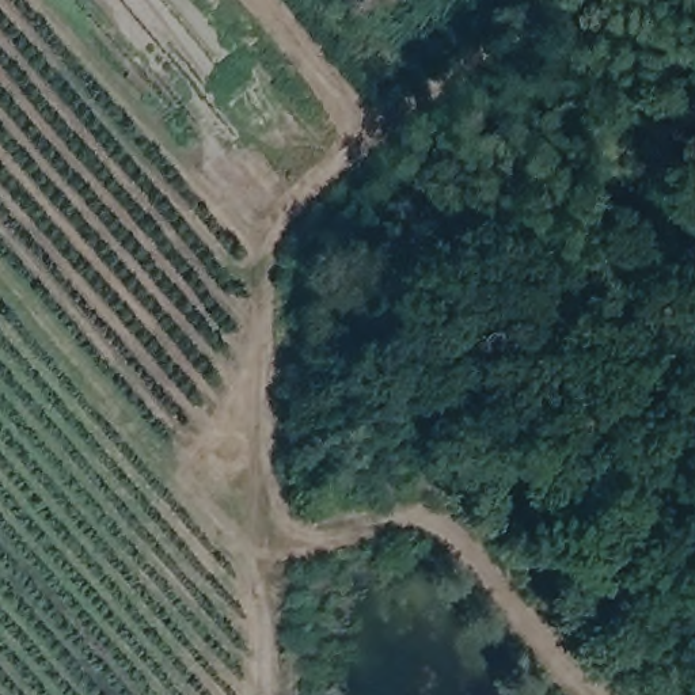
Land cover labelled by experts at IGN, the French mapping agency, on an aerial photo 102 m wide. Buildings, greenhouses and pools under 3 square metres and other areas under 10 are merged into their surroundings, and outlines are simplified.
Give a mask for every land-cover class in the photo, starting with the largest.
<instances>
[{"label":"deciduous trees","instance_id":"1","mask_svg":"<svg viewBox=\"0 0 695 695\"><path fill-rule=\"evenodd\" d=\"M14 8L62 60V65L87 87V92L103 106V111L122 128V133L179 193V198L225 244V250L236 258H242L244 252L236 233H231L214 220L209 206L160 155L157 144L138 133L125 109H119L111 100V95L95 81V76L84 71L73 52L54 35L46 19L27 0H11ZM296 16V22L307 30V35L320 46L326 62L334 65L358 95L369 84L364 62L375 54L386 57L388 62H399L402 49L413 38L402 30L399 22H394V5L372 8L356 16L353 0H282ZM584 0H516L510 8H500L494 14L497 22L508 24V33L489 43V60L483 62L486 73L481 76L478 87L470 79H462L448 98L434 103L432 111L413 119L405 130H394L391 149L380 152L375 160L372 182L356 187L339 182L337 176L328 179L318 195H309L304 204H293L288 225L280 233L274 250V266L269 280L274 285L277 299L282 301L271 323V339L277 348L274 377L266 388L274 421H288L290 456H280L271 464L280 483V494L288 502L290 516L299 521L312 524L339 510L391 513L396 508L424 505L432 513L451 516L453 521L467 527L472 540L483 543L494 540L500 532L508 529L513 508L510 489L516 483H529V505L535 510H551L565 508L570 502H581L586 494V483L603 481L605 472L630 475V489L614 502L611 510L600 513V519L589 524L584 538L576 535L578 521L567 524V538L562 535L565 521H557L554 527H538L540 543L519 538L510 548L500 546L489 554V559L502 570V576L510 578L513 570H554L570 578L559 600H551V627L559 643L567 635H573L589 616L597 614L600 600L616 597L619 592H630L635 600V611L627 614V624H622L614 635L592 638L589 643H584L578 649V660L584 676L589 681L605 684L611 695H695V529H679L673 524V516H662L660 497L662 489H671L679 494V502L684 505L695 500V261L676 255L673 247L660 252L652 223L627 206L611 204L608 182L643 174V157L633 152V133L638 130V125L649 119L684 117L695 109V0H603V8H592V14L581 16L584 30L600 27L603 19L608 22L611 33L635 35L641 43L665 52L662 57H652L622 49L616 57L608 52V43L603 41H597L595 46H581L573 30L548 33V27L557 22L562 11H576ZM402 185L426 193L440 212H481L483 223L467 231L464 236L437 242L434 255H421L415 269L405 277L407 293L396 304L383 299V252L358 244V250L342 252L337 258L326 252L318 255L312 252V228L334 204L345 209V217L361 214L364 223L375 225L377 212ZM589 271L603 274L608 293L589 299L592 309L578 318L576 328L565 339L562 356L543 361L538 350L551 337V326L559 318L562 293H578L586 285ZM348 312H358L364 318L399 315L402 331L391 342L367 345L364 361L356 367L353 361L339 356V337L348 331L342 326ZM505 320H510L513 326L516 348L527 350L524 358L497 364L475 361L470 350L475 348L481 331ZM478 388L491 391L486 399V410L481 418H462L459 432L451 443H432L418 434L413 424L415 418L459 407L470 399V391ZM0 30L30 60V65L43 76V81L62 98V103L87 125V130L103 144V149L122 166V171L163 212L171 228L206 266L212 280L223 290L239 296L244 299L247 293L242 280L231 277L228 269L217 263L212 250L168 204V198L147 179V174H141L130 155H125L114 136L68 87V81L0 11ZM0 68L19 84L24 98L41 111V117L73 149V155L147 231L157 250L174 263V269L204 301L209 315H214L217 326H223L228 334L236 331V326L228 309H223L212 299L206 285L190 269V263L166 239L160 225L130 198V193L111 176V171L92 155V149L43 100V95L27 79V73L0 49ZM0 106L22 128V133L41 149V155L60 171V176L84 198V204L100 217V223L119 239V244L144 266L155 285L201 331V337L214 350H225L228 345L220 331L206 326L201 312L193 309L185 293L155 266L149 252L136 242V236L62 160V155L38 133L30 117L0 87ZM0 144L49 195V201L71 220L79 236L98 252V258L144 304V309L166 328L176 348L187 356V361L206 377V383L220 386L223 380L212 361L187 339V334L171 320V315L147 293L136 274L109 250V244L79 214V209L54 187V182L27 155V149L16 144V138H11V133L0 122ZM652 201L665 212L671 223L681 225L687 233L695 231V141L681 152V166L671 168L665 182L657 185L652 195ZM0 185L54 242V247L90 282V288L114 309V315L130 328V334L149 350L157 367L179 386V391L193 405H201L204 396L195 388V383L171 361L163 345L133 315V309L109 288V282L90 266V261L68 242V236L46 217V212L33 201V195L0 163ZM0 220L43 263L52 280L71 296L81 315L90 318V323L106 337L117 356L141 377L152 396L179 424H187V413L163 391V386L122 342V337L87 304V299L49 258V252L0 201ZM0 261L38 296L43 309L57 320L60 328H65L73 345L90 358L95 372L117 388V394L130 407L138 410V418L152 429L157 440H171V432L163 421L152 415L144 399L130 388V383L98 353V348L79 328V323L52 299L46 285L0 239ZM8 320L16 328L27 348L52 369V375L90 413V418L106 432V437L128 456V462L144 475V481L168 502V508L185 521V527L214 557V562L225 567V573L236 578L231 557L198 527L193 513L176 500L168 483L157 478L152 467L122 440L111 421L87 399L84 388L76 386L71 375H65L57 356L41 342V328H30L0 299V323ZM152 519L168 535V540L185 554V562L214 586V592L223 600H228L231 608L242 605L217 576H212L201 565L190 546L176 535V529L160 516V510L152 508L147 494L125 475V470L92 437V432L52 391L41 372L27 364V358L0 331V695H239L225 681V673L233 671L236 676H244L242 662L250 657V646L239 630L231 624L228 616H223L214 608V603L195 586L193 578H187V573H182L174 557L157 543V538L144 524ZM152 554H157L174 570V576L198 600L195 605L187 608L185 600L171 589L166 576H160L147 562ZM182 649H187L193 660L209 673V679L214 681L212 690H206L198 681V676L190 673L187 665L179 660ZM413 567L424 573V581L437 584L440 600H462L467 605V614L475 619L467 627V635L483 646L486 660V671H478V681L489 690H497L500 695H567L546 673L535 649L527 646L510 630L508 616L494 605L481 578L459 562L448 543H443L437 535L421 527L383 524L375 529L372 538H364L358 543L337 546L328 551L318 548L307 557H288L285 562V589L280 595L277 608V652L296 654L299 695H342L350 671L361 662L358 643L364 641V627L372 619H377L380 586L391 578L410 573Z\"/></svg>","mask_w":695,"mask_h":695},{"label":"herbaceous vegetation","instance_id":"2","mask_svg":"<svg viewBox=\"0 0 695 695\"><path fill-rule=\"evenodd\" d=\"M0 11L68 81V87L114 136L125 155H130L141 174H147V179L168 198V204L212 250L217 263L228 269L231 277L242 280L247 293L269 280L274 266V250L261 261L252 252H244L242 258H236L225 250V244L179 198V193L122 133V128L103 111V106L87 92V87L62 65V60L14 8L11 0H0ZM592 8H603V0H584L576 11H562L557 22L548 27V33L573 30L581 46H595L597 41H603L608 43V52L616 57L622 49L652 57H662L665 52L641 43L635 35L611 33L608 22L603 19L600 27L584 30L581 16L592 14ZM0 49L27 73V79L43 95V100L92 149V155L111 171V176L130 193V198L160 225L166 239L190 263V269L206 285L212 299L223 309H228L239 296L223 290L212 280L206 266L171 228L163 212L122 171V166L103 149V144L87 130V125L62 103V98L43 81V76L30 65V60L0 30ZM486 73L483 62H453L445 84L440 87V81H429V95L421 100L410 95L407 100H396L386 109H380L375 100L361 103V125L369 133L380 130L383 138L369 149V155L361 163L345 166L337 176L339 182L356 187L372 182L375 160L380 152L391 149L394 130H405L413 119L432 111L434 103L448 98L462 79H470L478 87L481 76ZM0 87L30 117L38 133L62 155V160L136 236V242L149 252L155 266L185 293L193 309L201 312L206 326L220 331L228 345L225 350H214L201 337V331L155 285L144 266L119 244V239L100 223V217L84 204V198L60 176V171L41 155V149L22 133V128L0 106V122L11 133V138H16V144L27 149V155L54 182V187L79 209V214L109 244V250L136 274L147 293L171 315V320L187 334V339L212 361L223 380L220 386L206 383V377L187 361V356L176 348L166 328L144 309V304L98 258V252L79 236L71 220L49 201V195L0 144V163L33 195V201L46 212V217L68 236V242L90 261V266L109 282V288L133 309V315L163 345L171 361L195 383V388L204 396L201 405L209 415H214L217 405H223L225 386L239 375V356L250 342V331L236 326V331L228 334L223 326H217L214 315H209L204 301L174 269V263L157 250L147 231L73 155V149L41 117V111L24 98L19 84L0 68ZM695 141V109L684 117L649 119L638 125V130L633 133V152L643 157V174L608 182L611 204L627 206L652 223L660 252L673 247L676 255L695 261V231L687 233L681 225L671 223L665 212L652 201V195L657 185L665 182L671 168L681 166V152ZM0 201L49 252V258L87 299V304L122 337V342L163 386V391L187 413L193 405L179 391V386L157 367L149 350L130 334V328L114 315V309L90 288V282L54 247V242L0 185ZM483 223L481 212H440L426 193L402 185L377 212L375 225L364 223L361 214L345 217V209L334 204L312 228V252L318 255L326 252L337 258L342 252L358 250V244L383 252V299L396 304L407 293L405 277L415 269L421 255H434L437 242L464 236L467 231ZM0 239L46 285L52 299L79 323V328L98 348V353L130 383V388L144 399L152 415L163 421L171 432V440H157L152 429L138 418V410L130 407L117 394V388L95 372L90 358L73 345L65 328H60L57 320L43 309L38 296L0 261V299L30 328H41V342L57 356L65 375H71L76 386L84 388L87 399L111 421L122 440L152 467L157 478L168 483L176 472V451L187 448L198 434L195 424L187 418V424H179L152 396L141 377L117 356L106 337L90 323V318L81 315L71 296L52 280L43 263L0 220ZM608 293L603 274L589 271L586 285L578 293H562L559 318L551 326V337L538 350L543 361L562 356L565 339L576 328L578 318L592 309L589 299ZM342 326L348 331L339 337V356L353 361L356 367L364 361L367 345L391 342L402 331L399 315L364 318L358 312H348ZM0 331L27 358V364L41 372L52 391L92 432V437L125 470V475L147 494L152 508L160 510V516L176 529V535L190 546L201 565L212 576H217L225 573V567L214 562V557L185 527V521L168 508V502L144 481V475L128 462V456L106 437V432L90 418V413L52 375V369L27 348L16 328L8 320L0 323ZM475 361L497 364L524 358L527 350L516 348L513 326L510 320H505L481 331L475 348L470 350ZM491 391L478 388L470 391V399L459 407L415 418L413 424L418 434L432 443H451L459 432L462 418H481L486 410V399ZM280 456H290L288 421H274L271 464ZM630 489V475L605 472L603 481L586 483V494L581 502H570L565 508L551 510H535L529 505V483H516L510 489L513 508L508 529L500 532L494 540L483 543L489 554L500 546L510 548L519 538L540 543L538 527H554L557 521H565L562 535L567 538V524L578 521L576 535L584 538L589 524L600 519V513L611 510L614 502ZM662 516H673V524L679 529H695V500L684 505L679 502V494L671 489H662L660 497ZM157 538V543L174 557L182 573H187V578H193L195 586L214 603V608L223 616H228L231 624L239 630L244 624L242 605L231 608L228 600H223L214 592V586L185 562V554L168 540V535L152 519L144 524ZM147 562L160 576H166L171 589L185 600L187 608L195 605L198 600L174 576V570L157 554H152ZM285 562L258 559V573L266 581V600L277 608L280 595L285 589ZM570 578L554 570H513L510 578V589L527 605H532L535 614L551 627V600H559ZM635 611V600L630 592H619L616 597L600 600L597 614L589 616L573 635H567L559 643L573 660H578V649L584 643H589L592 638L614 635L622 624H627V614ZM179 660L187 665L190 673L198 676V681L206 690H212L214 681L209 679V673L193 660L187 649H182ZM296 654L277 652V695H299Z\"/></svg>","mask_w":695,"mask_h":695},{"label":"agricultural land","instance_id":"3","mask_svg":"<svg viewBox=\"0 0 695 695\"><path fill-rule=\"evenodd\" d=\"M46 19L54 35L73 52L84 71L95 76V81L111 95V100L119 109H125L138 133L157 144L160 155L209 206L214 220L231 233H236L244 252H252L261 261L274 250L280 233L288 225L293 204H304L309 195H318L328 179L337 176L345 166L361 163L369 155V149L383 138L380 130L369 133L361 125V103L358 95L334 65L326 62L320 46L307 35V30L296 22V16L282 0H27Z\"/></svg>","mask_w":695,"mask_h":695},{"label":"pervious surface","instance_id":"4","mask_svg":"<svg viewBox=\"0 0 695 695\"><path fill-rule=\"evenodd\" d=\"M282 301L277 299L274 285L269 280L247 293L244 299L239 296L228 309L236 326L250 331V342L239 356V375L225 386L223 405H217L214 415H209L201 405H193L187 413V418L195 424L198 434L187 448L176 451V472L168 483L176 500L193 513L198 527L231 557L236 578L225 573L217 576L242 605L244 624L239 630L250 646V657L242 662L244 676H236L233 671L225 673V681L239 695H277V608L266 600V581L258 573V559L285 562L288 557H307L318 548L328 551L337 546L358 543L364 538H372L375 529L383 524L421 527L437 535L443 543H448L459 562L481 578L494 605L508 616L510 630L527 646L535 649L546 673L567 695H611L605 684L589 681L584 676L578 660H573L559 643L551 627L535 614L532 605H527L510 589V578L502 576V570L489 559V554L483 543L472 540L467 527L453 521L451 516L432 513L424 505L396 508L391 513L339 510L312 524L299 521L290 516L288 502L280 494V483L271 464L274 421L266 388L274 377L277 348L271 339V323Z\"/></svg>","mask_w":695,"mask_h":695},{"label":"water","instance_id":"5","mask_svg":"<svg viewBox=\"0 0 695 695\"><path fill-rule=\"evenodd\" d=\"M475 619L467 614V605L462 600H440L437 584L424 581V573L413 567L410 573L391 578L380 586L377 619H372L364 627V641L358 643L361 662L350 671L342 695H500L497 690H489L478 681V671H486V660L483 646L467 635V627Z\"/></svg>","mask_w":695,"mask_h":695},{"label":"brushwood","instance_id":"6","mask_svg":"<svg viewBox=\"0 0 695 695\"><path fill-rule=\"evenodd\" d=\"M516 0H353L356 16L372 8L394 5V22H399L402 30L413 38L402 49L399 62H388L386 57L375 54L364 62L369 84L358 95L361 103L375 100L380 109H386L396 100H407L410 95L421 100L429 95V81H440V87L445 84L453 62H483L489 60V43L508 33V24L497 22L494 14L500 8H510Z\"/></svg>","mask_w":695,"mask_h":695}]
</instances>
